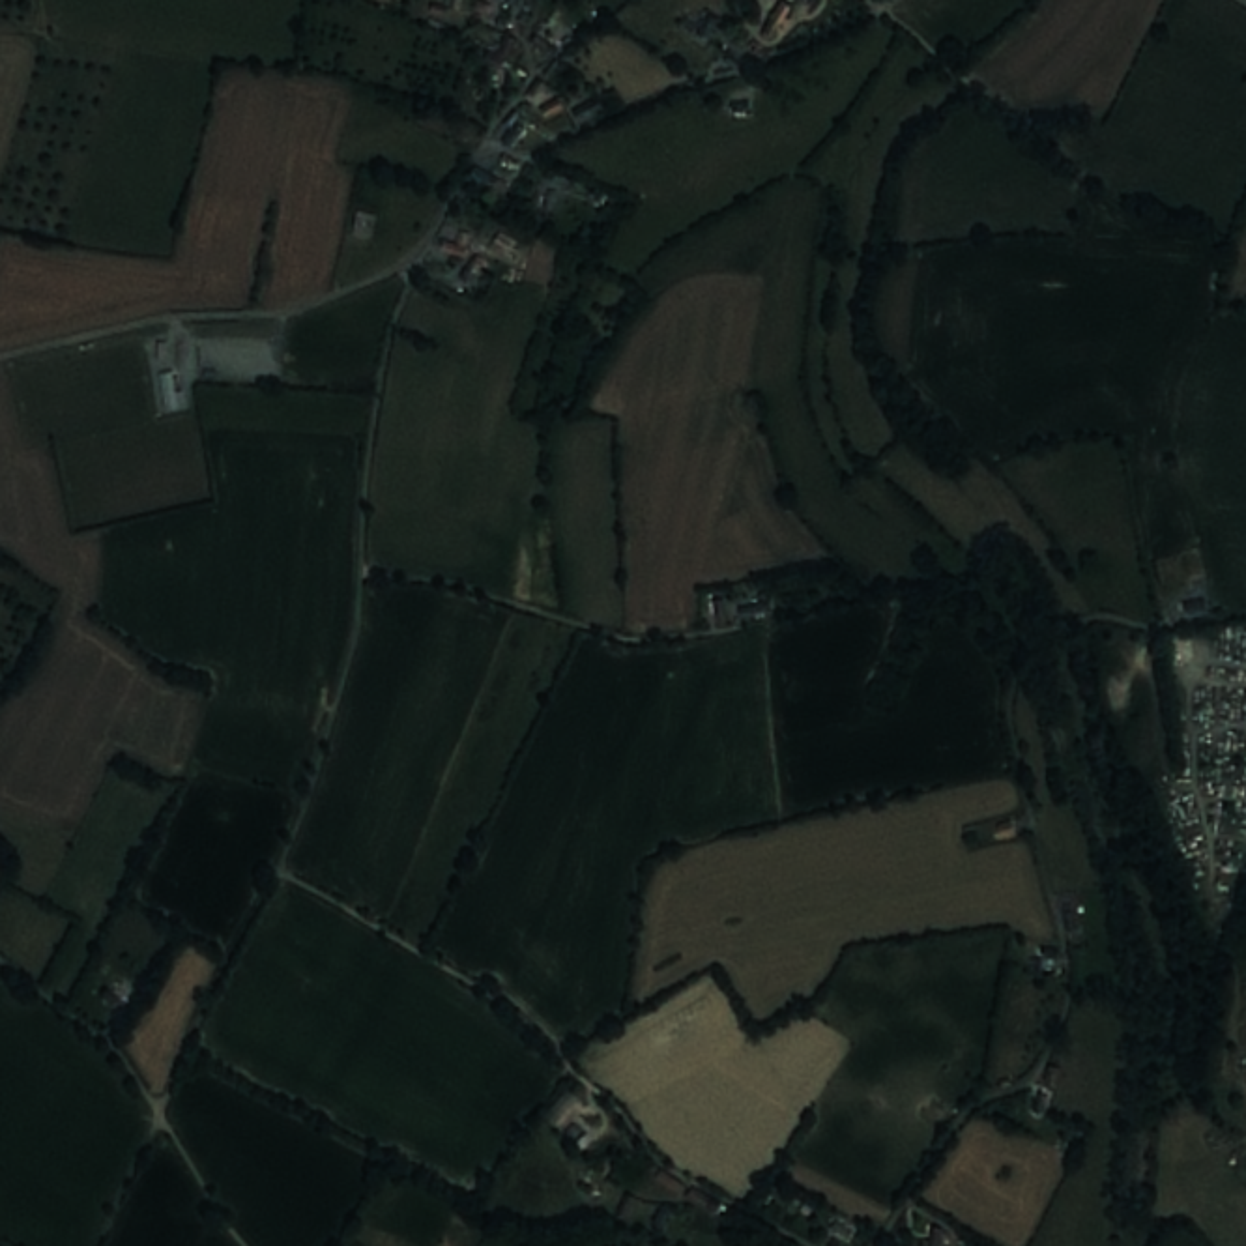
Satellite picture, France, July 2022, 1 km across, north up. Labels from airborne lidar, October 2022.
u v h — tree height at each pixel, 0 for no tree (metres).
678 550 0
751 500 0
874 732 0
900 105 0
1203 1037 19
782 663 0
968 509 0
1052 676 33
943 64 12
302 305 0
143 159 0
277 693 0
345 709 0
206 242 0
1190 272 0
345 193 0
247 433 0
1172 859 17
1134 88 0
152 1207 0
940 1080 0
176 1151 6
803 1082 0
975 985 0
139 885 8
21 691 17
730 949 0
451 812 0
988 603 25
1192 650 0
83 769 0
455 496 0
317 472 0
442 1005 0
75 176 0
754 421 0
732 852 0
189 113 0
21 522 0
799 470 0
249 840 0
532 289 0
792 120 0
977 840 8
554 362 6
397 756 0
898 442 7
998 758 0
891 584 17
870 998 0
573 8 12
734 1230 11
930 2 0
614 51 0
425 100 15
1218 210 0
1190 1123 0
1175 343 0
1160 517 0
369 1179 14
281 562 0
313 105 0
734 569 0
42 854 0
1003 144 0
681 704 0
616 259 0
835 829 0
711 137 0
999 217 0
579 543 0
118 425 0
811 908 0
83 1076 0
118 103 0
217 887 0
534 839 0
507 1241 6
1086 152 0
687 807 0
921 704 0
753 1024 23
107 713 0
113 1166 0
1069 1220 0
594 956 0
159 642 0
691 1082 0
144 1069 0
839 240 15
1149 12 0
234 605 0
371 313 0
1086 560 13
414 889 0
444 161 0
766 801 0
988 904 0
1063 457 0
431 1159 0
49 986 8
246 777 0
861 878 0
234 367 0
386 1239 0
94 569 0
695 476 0
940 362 0
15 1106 0
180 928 19
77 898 0
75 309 0
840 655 0
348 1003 0
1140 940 32
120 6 0
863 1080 0
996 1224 0
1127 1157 28
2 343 0
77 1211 0
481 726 0
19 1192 0
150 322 0
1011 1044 0
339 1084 0
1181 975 26
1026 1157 0
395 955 0
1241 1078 0
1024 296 0
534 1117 11
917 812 0
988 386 0
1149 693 0
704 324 0
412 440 0
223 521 0
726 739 0
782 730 0
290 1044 0
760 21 7
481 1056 0
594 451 0
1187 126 0
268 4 0
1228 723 0
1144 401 0
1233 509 0
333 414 0
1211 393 0
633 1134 6
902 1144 0
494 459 0
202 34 0
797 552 0
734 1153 0
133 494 0
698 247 0
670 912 0
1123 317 0
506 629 0
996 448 0
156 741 0
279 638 0
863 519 0
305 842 0
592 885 0
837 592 7
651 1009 13
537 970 0
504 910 0
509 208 7
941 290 0
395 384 0
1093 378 0
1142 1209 32
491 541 0
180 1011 0
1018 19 8
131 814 0
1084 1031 0
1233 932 21
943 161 0
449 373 0
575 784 0
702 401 0
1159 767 0
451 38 13
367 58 0
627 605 0
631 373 0
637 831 0
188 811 0
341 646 0
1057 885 0
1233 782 0
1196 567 0
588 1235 20
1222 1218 0
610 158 0
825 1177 0
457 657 0
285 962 0
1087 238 0
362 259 0
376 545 0
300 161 0
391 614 0
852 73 0
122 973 0
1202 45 0
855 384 0
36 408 0
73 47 0
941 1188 0
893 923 0
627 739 0
